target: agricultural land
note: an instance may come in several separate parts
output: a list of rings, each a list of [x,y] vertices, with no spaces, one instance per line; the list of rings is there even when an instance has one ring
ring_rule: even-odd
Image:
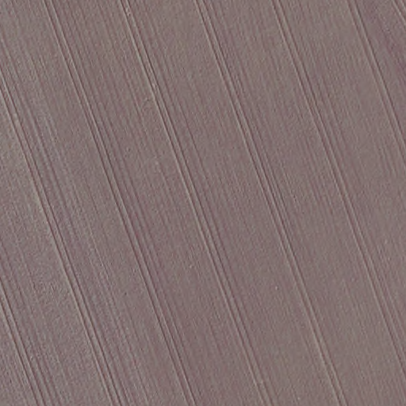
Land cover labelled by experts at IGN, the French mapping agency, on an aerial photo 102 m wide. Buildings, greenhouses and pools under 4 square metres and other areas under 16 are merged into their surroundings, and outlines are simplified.
[[[406,406],[406,0],[0,0],[0,406]]]

